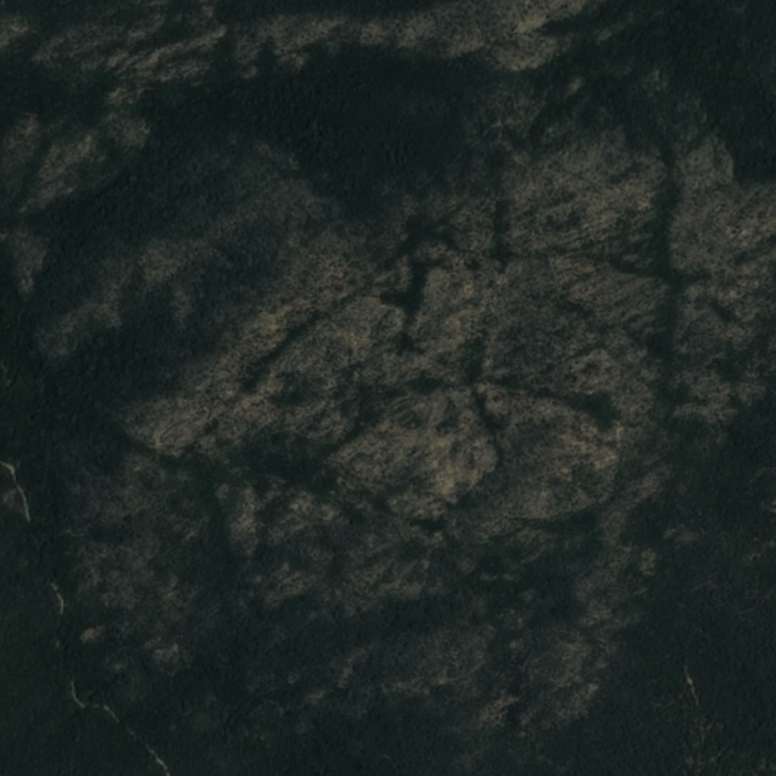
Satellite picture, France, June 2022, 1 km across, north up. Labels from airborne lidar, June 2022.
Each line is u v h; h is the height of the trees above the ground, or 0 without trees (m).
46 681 6
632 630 8
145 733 9
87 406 6
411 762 8
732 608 7
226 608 6
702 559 7
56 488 7
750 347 6
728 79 8
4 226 8
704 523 7
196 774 6
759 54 6
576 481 5
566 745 6
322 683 7
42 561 10
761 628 5
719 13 8
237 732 9
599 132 6
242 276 6
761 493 6
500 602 6
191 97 6
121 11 6
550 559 7
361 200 6
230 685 8
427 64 6
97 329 6
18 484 11
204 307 6
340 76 11
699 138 8
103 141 5
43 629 7
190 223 5
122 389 6
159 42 8
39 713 10
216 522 9
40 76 5
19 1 6
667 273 5
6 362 9
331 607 7
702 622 9
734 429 12
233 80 7
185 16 8
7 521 9
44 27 7
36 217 7
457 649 6
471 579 7
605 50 6
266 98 9
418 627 9
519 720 6
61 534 7
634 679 9
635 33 11
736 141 6
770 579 8
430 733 9
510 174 0
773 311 7
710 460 7
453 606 9
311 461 8
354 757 7
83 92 6
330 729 7
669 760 9
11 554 12
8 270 11
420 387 7
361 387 6
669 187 6
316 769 15
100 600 8
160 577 7
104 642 7
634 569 7
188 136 6
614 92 7
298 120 7
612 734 7
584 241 7
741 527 7
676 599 8
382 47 7
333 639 9
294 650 8
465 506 6
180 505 8
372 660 8
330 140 11
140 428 0
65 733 8
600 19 9
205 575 7
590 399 6
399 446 0
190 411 0
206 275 8
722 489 6
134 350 7
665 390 7
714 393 7
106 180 6
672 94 7
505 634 6
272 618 10
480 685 7
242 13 7
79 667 9
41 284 8
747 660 8
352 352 6
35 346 7
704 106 9
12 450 8
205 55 5
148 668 8
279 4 9
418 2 9
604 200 0
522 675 6
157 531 8
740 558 6
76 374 7
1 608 7
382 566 7
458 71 6
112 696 6
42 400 12
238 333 7
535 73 6
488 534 6
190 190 7
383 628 8
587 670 8
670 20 10
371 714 12
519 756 6
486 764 6
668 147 5
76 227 10
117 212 14
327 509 0
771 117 11
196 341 7
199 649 6
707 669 10
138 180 6
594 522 5
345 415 6
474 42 0
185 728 6
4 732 8
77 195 7
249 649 11
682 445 7
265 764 8
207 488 8
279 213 0
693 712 7
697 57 7
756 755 8
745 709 6
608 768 9
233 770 6
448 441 0
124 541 6
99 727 9
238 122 5
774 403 8
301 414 11
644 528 6
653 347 7
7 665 6
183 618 7
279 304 6
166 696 9
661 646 7
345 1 6
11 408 12
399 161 7
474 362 6
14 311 19
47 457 9
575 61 7
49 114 6
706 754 9
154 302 6
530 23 0
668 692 7
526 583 7
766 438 9
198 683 6
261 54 6
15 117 6
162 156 5
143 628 9
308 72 10
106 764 7
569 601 9
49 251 8
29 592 9
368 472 0
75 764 7
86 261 7
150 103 7
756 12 8
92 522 7
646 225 6
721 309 6
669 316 6
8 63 7
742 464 9
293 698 6
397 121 6
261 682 8
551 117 5
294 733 9
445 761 7
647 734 7
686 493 7
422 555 6
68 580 5
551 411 0
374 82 6
